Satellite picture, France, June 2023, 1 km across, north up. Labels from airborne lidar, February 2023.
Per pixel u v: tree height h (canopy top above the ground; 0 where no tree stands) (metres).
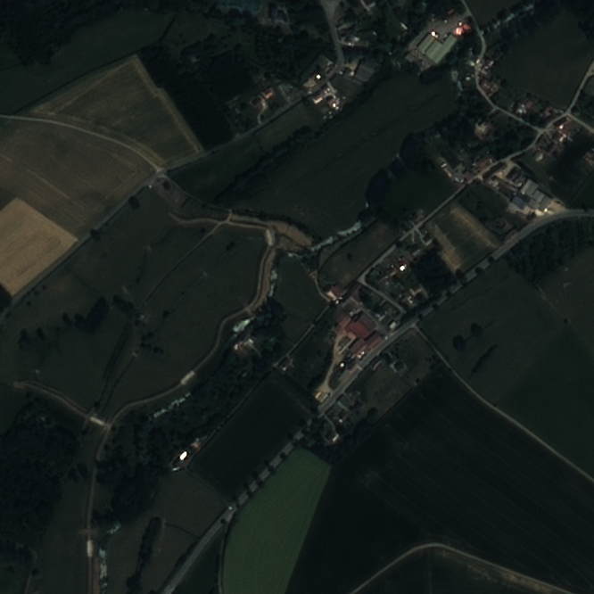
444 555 0
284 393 0
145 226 0
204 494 0
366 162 0
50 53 18
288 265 0
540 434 0
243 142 0
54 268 0
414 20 19
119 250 0
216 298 0
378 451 0
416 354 0
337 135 0
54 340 0
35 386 0
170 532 0
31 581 0
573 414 0
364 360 0
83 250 0
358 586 0
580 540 0
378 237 0
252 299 0
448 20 0
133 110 0
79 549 0
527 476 0
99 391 0
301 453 0
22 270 0
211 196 0
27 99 0
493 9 0
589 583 0
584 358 0
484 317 0
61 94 0
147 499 33
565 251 16
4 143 0
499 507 0
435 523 0
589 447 0
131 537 0
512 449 0
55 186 0
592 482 0
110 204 0
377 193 35
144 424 19
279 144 0
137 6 9
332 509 0
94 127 0
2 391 0
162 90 0
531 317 0
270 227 0
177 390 0
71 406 0
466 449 0
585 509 0
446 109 0
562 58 0
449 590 0
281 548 0
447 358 7
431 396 0
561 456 0
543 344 0
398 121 0
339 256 0
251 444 0
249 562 0
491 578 0
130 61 0
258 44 10
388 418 0
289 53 13
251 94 0
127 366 0
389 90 0
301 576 0
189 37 0
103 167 0
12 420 0
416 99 0
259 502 0
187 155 0
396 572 0
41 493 31
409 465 0
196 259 0
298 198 0
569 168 0
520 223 0
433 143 0
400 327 0
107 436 0
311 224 0
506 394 0
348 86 0
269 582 0
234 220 0
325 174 0
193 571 0
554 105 0
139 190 0
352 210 0
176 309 0
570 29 0
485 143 7
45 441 11
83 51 0
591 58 0
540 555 0
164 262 0
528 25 33
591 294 0
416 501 0
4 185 0
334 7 0
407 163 31
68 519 0
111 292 0
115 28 0
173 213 0
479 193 0
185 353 0
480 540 0
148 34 0
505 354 0
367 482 0
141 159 0
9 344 0
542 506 0
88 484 0
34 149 0
